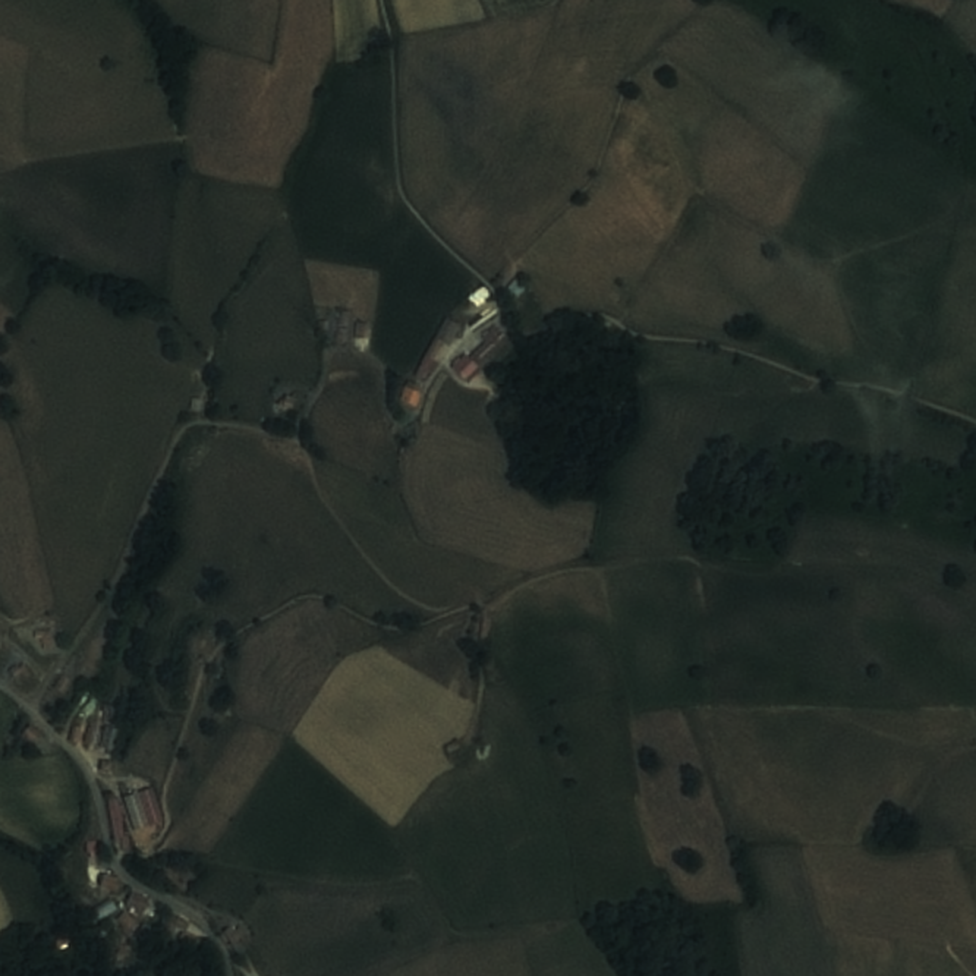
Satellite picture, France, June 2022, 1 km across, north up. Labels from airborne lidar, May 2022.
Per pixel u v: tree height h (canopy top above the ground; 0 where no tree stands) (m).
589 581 0
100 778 0
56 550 0
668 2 0
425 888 0
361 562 0
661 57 0
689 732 0
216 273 0
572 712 0
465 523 0
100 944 18
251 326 0
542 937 0
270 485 0
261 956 0
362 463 0
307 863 0
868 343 0
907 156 0
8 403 15
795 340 0
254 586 0
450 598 0
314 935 0
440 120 0
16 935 7
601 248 0
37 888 0
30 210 0
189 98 0
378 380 0
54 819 0
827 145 0
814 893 0
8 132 0
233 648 8
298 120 0
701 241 0
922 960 0
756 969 0
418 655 0
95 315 0
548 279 0
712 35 0
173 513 19
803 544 0
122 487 0
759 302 0
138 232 0
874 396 10
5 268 0
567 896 0
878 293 0
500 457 0
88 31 0
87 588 0
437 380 0
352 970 0
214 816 0
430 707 0
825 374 10
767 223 0
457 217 0
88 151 0
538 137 0
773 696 0
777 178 0
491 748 0
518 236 0
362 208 0
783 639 0
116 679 0
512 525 0
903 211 0
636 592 0
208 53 0
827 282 0
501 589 0
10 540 0
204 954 20
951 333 0
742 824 0
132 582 15
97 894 0
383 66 0
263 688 0
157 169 0
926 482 0
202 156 0
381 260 0
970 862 0
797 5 0
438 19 0
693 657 0
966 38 0
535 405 27
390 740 0
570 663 0
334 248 0
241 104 0
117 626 25
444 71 0
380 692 0
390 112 0
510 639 0
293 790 0
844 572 0
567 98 0
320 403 0
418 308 0
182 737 0
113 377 0
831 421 0
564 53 0
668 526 0
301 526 0
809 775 0
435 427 0
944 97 0
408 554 0
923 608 0
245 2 0
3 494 0
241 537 0
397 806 0
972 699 0
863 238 0
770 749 0
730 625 0
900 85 0
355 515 0
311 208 0
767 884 0
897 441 0
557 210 0
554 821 0
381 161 0
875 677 16
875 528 0
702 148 0
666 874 0
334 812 0
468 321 0
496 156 0
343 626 0
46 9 0
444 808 0
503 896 0
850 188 0
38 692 0
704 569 0
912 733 0
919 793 0
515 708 0
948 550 0
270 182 0
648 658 0
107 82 0
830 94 0
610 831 0
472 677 7
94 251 0
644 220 0
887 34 0
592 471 32
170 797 0
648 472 0
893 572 0
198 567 0
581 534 0
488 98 0
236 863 0
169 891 10
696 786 16
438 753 0
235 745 0
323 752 0
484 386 0
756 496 13
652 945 32
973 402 0
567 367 26
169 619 0
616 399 7
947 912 0
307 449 10
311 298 0
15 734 8
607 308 0
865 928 0
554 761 0
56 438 0
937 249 0
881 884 0
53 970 20
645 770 16
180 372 0
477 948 0
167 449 0
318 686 0
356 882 0
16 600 0
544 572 0
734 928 0
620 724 0
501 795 0
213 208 0
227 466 0
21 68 0
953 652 0
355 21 0
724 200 0
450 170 0
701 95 0
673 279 0
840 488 0
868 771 0
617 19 0
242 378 0
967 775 0
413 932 0
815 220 0
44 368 0
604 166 0
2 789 0
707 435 0
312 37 0
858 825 0
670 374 0
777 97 0
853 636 0
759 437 0
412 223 0
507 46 0
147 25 8
